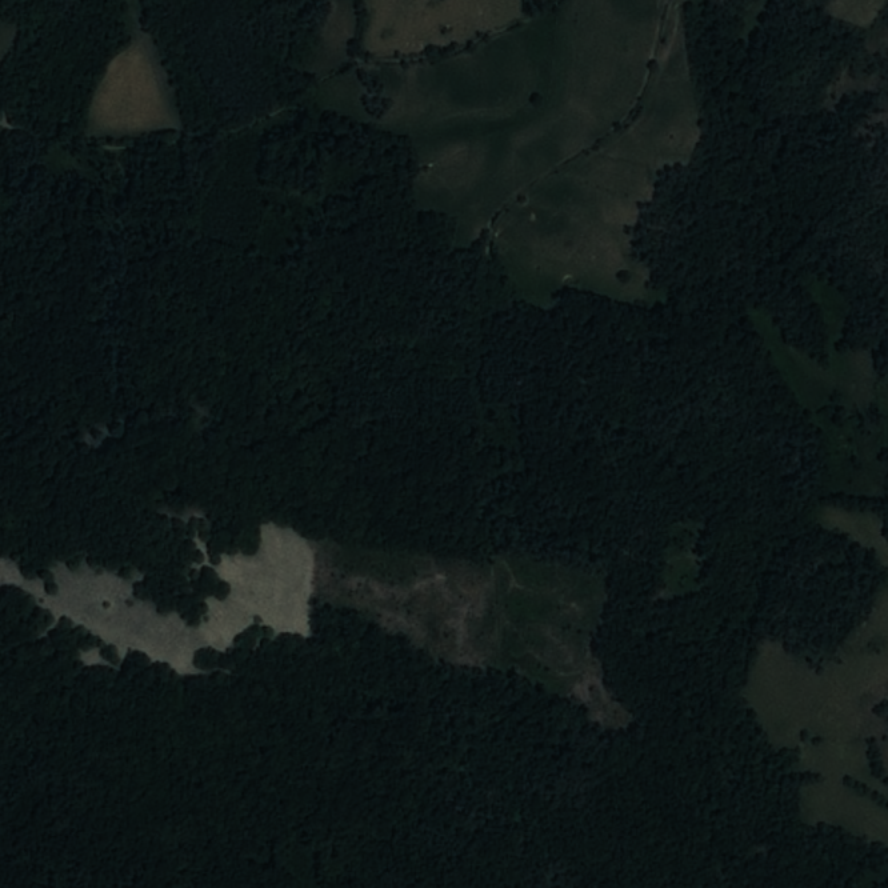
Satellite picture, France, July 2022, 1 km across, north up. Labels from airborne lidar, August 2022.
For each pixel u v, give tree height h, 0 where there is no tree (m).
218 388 16
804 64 6
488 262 19
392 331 19
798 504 21
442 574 0
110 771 15
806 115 9
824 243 14
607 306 28
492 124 0
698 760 15
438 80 0
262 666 18
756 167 13
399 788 19
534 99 13
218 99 11
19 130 9
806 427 21
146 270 18
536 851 22
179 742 14
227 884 18
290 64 9
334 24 0
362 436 22
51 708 17
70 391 23
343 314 19
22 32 11
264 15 14
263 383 21
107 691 21
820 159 15
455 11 0
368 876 21
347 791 21
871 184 13
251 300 17
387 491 20
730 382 18
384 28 0
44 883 14
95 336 24
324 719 18
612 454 16
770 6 11
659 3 0
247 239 6
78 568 10
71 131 19
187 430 15
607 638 18
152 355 22
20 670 19
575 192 0
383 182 12
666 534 12
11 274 20
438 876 18
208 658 13
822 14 7
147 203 19
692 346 24
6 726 20
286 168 20
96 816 17
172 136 13
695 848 14
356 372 17
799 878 10
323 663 18
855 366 0
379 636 23
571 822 19
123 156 6
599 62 0
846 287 14
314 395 14
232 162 7
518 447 6
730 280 12
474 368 12
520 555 21
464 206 0
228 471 21
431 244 14
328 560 0
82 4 11
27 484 21
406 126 0
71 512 15
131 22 0
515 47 0
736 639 16
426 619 0
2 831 15
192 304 19
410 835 20
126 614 0
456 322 17
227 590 17
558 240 0
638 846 20
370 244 22
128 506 14
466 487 24
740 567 17
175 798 15
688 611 18
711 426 13
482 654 0
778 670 0
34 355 22
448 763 17
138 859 16
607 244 0
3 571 0
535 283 0
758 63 18
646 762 25
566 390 16
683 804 19
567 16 0
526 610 0
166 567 12
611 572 16
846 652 0
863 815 0
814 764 0
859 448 0
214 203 6
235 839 17
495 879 22
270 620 0
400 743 19
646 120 0
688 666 21
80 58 13
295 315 12
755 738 14
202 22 14
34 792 12
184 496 20
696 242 16
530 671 0
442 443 18
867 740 6
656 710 22
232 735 20
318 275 18
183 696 14
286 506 19
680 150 0
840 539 20
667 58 0
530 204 0
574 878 24
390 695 18
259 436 16
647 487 21
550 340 17
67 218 24
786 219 15
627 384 14
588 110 0
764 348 19
